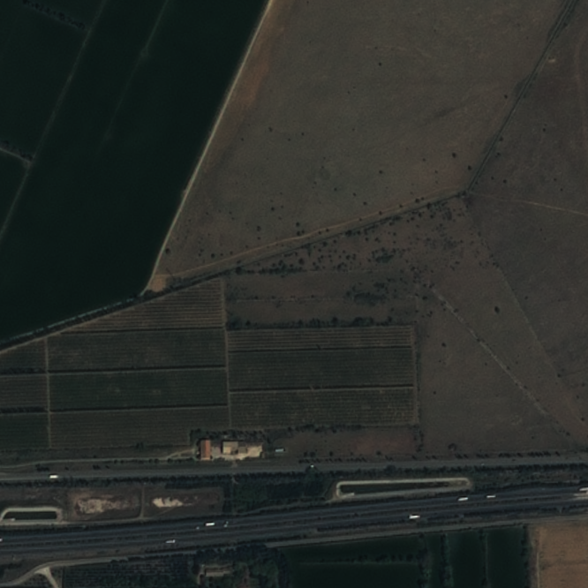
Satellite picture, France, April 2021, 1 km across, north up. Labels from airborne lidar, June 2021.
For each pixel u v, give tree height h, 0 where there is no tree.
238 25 0
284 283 0
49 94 0
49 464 0
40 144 0
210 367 10
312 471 11
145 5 0
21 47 0
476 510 0
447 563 8
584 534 0
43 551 0
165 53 0
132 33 0
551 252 0
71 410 9
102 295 0
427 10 0
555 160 0
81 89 0
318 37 0
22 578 0
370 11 0
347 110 0
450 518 7
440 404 0
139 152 0
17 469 0
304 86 0
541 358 0
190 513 0
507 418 0
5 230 0
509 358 0
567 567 0
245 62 0
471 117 0
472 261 0
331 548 0
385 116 0
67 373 10
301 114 0
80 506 0
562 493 0
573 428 0
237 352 7
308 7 0
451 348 0
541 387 0
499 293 0
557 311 0
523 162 0
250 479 8
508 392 0
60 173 0
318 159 0
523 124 0
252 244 0
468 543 0
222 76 0
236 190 0
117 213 0
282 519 0
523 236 0
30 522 0
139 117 0
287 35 0
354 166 0
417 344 0
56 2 0
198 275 0
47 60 0
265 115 0
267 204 0
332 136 0
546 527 0
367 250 0
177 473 0
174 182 0
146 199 0
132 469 0
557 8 0
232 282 0
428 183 0
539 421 0
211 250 0
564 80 0
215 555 11
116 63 0
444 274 0
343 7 0
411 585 0
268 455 0
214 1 0
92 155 0
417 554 0
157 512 0
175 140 0
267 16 0
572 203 0
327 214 0
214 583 8
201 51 0
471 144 0
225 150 0
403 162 0
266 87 0
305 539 6
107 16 0
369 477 7
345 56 0
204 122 0
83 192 0
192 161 0
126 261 0
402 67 0
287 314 0
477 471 9
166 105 0
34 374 19
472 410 0
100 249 0
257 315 0
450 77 0
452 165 0
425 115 0
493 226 0
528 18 0
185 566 6
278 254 0
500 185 0
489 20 0
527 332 0
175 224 0
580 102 0
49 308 0
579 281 0
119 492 0
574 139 0
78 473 0
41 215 0
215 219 0
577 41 0
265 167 0
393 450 0
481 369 0
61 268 0
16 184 0
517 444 0
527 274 0
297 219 0
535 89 0
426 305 0
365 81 0
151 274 0
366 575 0
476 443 0
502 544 0
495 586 0
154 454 0
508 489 8
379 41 0
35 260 0
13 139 0
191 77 0
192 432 5
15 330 0
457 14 0
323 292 0
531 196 0
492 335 0
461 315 0
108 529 8
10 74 0
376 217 0
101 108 0
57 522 0
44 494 0
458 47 0
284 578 6
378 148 0
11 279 0
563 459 0
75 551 0
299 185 0
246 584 5
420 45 0
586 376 0
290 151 0
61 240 0
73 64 0
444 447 0
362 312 0
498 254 0
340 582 0
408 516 0
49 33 0
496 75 0
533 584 0
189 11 0
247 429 0
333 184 0
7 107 0
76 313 0
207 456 0
